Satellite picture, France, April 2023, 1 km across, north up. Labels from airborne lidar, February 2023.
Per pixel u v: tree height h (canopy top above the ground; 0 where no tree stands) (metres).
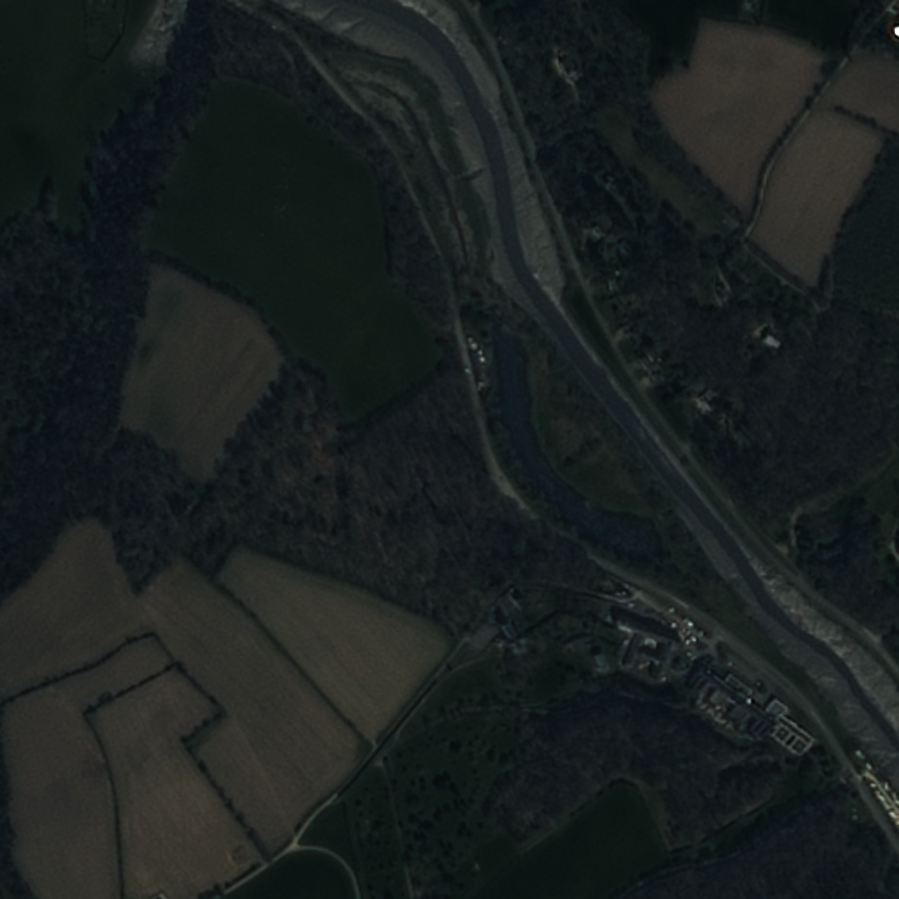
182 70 20
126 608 0
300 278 0
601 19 15
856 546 28
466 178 0
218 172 0
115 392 17
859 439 26
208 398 0
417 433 19
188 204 0
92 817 0
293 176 0
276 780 0
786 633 0
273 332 10
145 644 0
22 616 0
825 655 0
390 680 0
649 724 27
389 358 0
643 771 22
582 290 0
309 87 24
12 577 14
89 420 25
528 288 0
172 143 20
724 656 13
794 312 15
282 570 0
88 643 0
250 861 0
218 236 0
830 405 25
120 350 18
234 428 0
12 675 0
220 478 15
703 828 19
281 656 0
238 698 0
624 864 0
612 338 0
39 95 0
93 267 24
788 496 25
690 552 6
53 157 0
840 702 0
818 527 0
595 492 0
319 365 0
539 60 14
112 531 16
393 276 14
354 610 0
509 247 0
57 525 16
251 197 0
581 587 14
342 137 14
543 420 0
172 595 0
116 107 0
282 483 8
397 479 25
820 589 16
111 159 14
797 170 0
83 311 27
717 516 0
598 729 25
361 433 18
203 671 0
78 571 0
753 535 0
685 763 25
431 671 0
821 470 21
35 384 22
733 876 21
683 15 0
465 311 19
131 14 0
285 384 19
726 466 37
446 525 21
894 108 0
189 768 0
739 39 0
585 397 13
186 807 0
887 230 11
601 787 16
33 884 0
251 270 0
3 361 16
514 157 0
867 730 0
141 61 0
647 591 0
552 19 19
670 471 0
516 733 10
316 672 0
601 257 24
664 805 18
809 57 0
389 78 0
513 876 0
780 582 0
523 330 6
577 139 23
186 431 0
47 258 19
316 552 13
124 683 0
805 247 0
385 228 11
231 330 0
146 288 15
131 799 0
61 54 0
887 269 10
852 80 0
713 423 22
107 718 0
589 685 15
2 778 20
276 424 25
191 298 0
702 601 0
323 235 0
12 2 0
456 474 22
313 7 0
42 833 0
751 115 0
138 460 25
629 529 0
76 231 0
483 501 24
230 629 0
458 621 13
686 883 22
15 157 0
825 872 18
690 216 0
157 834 0
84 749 0
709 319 19
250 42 17
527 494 13
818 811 15
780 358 21
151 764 0
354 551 7
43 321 15
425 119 0
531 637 10
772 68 0
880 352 26
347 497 25
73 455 20
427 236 14
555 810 20
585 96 20
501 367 0
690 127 0
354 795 0
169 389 0
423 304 19
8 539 18
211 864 0
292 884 0
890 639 17
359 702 0
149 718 0
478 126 0
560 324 0
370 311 0
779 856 21
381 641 0
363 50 0
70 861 0
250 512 9
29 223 13
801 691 0
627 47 16
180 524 26
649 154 17
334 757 0
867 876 23
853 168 0
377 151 26
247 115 0
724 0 0
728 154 0
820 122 0
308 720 0
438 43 0
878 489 0
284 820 0
